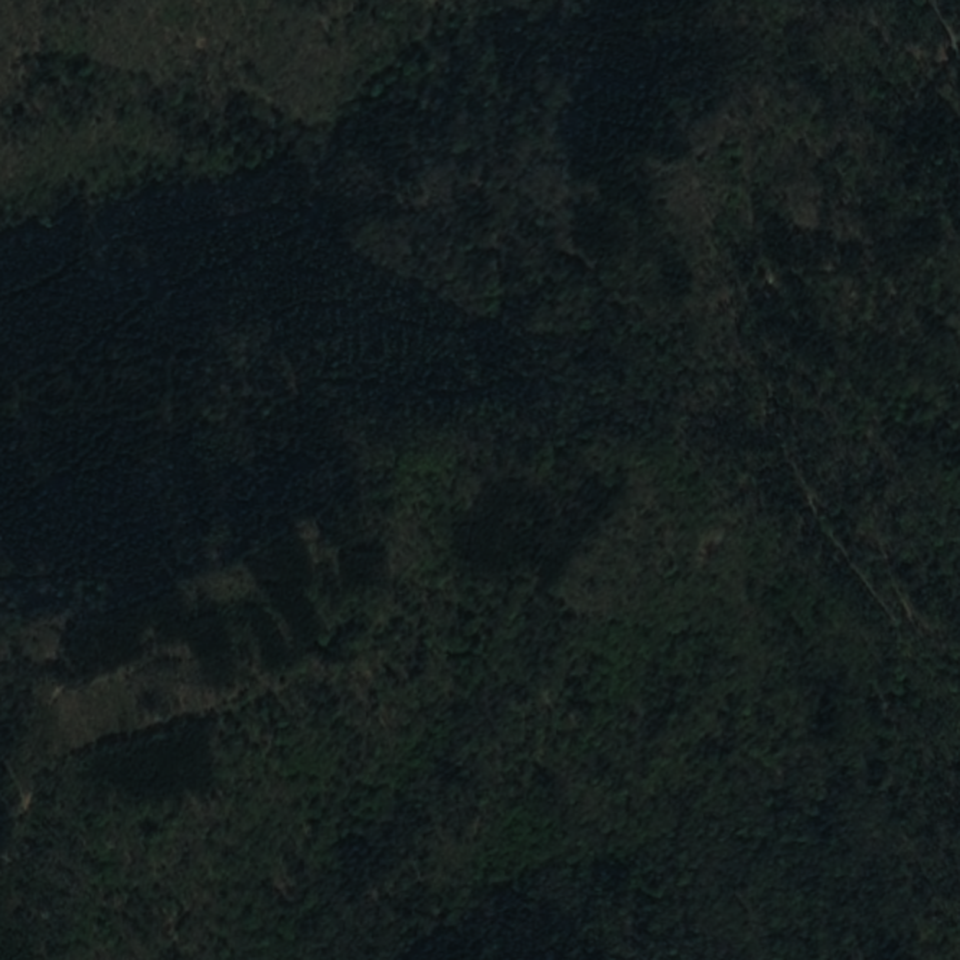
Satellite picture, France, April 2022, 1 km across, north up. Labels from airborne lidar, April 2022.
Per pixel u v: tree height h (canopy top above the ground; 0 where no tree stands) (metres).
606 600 15
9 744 23
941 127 26
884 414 25
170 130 21
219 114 24
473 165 22
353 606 17
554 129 19
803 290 32
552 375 24
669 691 25
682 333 17
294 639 22
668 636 22
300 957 25
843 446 31
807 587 20
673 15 21
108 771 22
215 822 27
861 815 17
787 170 23
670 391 19
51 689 0
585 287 17
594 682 21
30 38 21
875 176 14
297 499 23
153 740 18
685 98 20
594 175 25
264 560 22
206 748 20
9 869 14
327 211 31
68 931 22
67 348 22
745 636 24
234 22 15
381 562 21
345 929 21
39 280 28
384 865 22
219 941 32
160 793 21
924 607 24
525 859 24
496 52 21
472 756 24
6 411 24
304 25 14
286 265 29
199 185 6
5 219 20
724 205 15
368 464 20
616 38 24
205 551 15
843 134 21
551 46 21
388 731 30
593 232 23
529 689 25
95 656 27
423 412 23
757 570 17
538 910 24
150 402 33
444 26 10
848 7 19
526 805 23
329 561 15
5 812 25
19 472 29
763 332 31
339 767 20
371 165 17
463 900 29
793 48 14
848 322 26
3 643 8
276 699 25
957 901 24
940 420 29
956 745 23
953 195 27
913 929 16
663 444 13
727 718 26
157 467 17
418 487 25
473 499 13
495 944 24
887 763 15
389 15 21
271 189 26
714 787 27
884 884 18
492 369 25
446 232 22
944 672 6
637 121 26
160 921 28
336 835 24
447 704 28
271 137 33
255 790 29
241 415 23
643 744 28
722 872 17
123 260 14
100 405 33
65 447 32
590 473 19
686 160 12
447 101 23
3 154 19
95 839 23
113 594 15
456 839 18
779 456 25
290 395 27
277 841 28
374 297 22
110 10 17
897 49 18
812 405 24
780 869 22
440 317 24
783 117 11
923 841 25
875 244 26
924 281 27
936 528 28
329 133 25
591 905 25
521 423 17
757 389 23
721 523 18
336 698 26
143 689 17
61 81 22
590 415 20
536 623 25
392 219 22
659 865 27
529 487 15
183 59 18
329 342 24
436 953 25
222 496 17
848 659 22
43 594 12
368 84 23
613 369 20
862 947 18
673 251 19
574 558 16
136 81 20
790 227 20
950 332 22
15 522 24
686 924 30
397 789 27
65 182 18
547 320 25
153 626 12
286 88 9
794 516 10
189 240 28
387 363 23
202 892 29
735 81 13
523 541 19
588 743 26
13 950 9
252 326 19
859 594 19
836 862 24
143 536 25
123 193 20
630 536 21
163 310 21
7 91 18
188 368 13
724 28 16
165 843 28
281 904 31
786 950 25
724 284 20
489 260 23
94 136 22
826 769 25
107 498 26
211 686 17
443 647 23
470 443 21
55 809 21
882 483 27
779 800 23
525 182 19
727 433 27
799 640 23
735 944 29
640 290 16
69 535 19
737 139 19
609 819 25
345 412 20
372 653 20
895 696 21
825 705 22
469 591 23
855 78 25
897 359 30
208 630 27
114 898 30
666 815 28
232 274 25
